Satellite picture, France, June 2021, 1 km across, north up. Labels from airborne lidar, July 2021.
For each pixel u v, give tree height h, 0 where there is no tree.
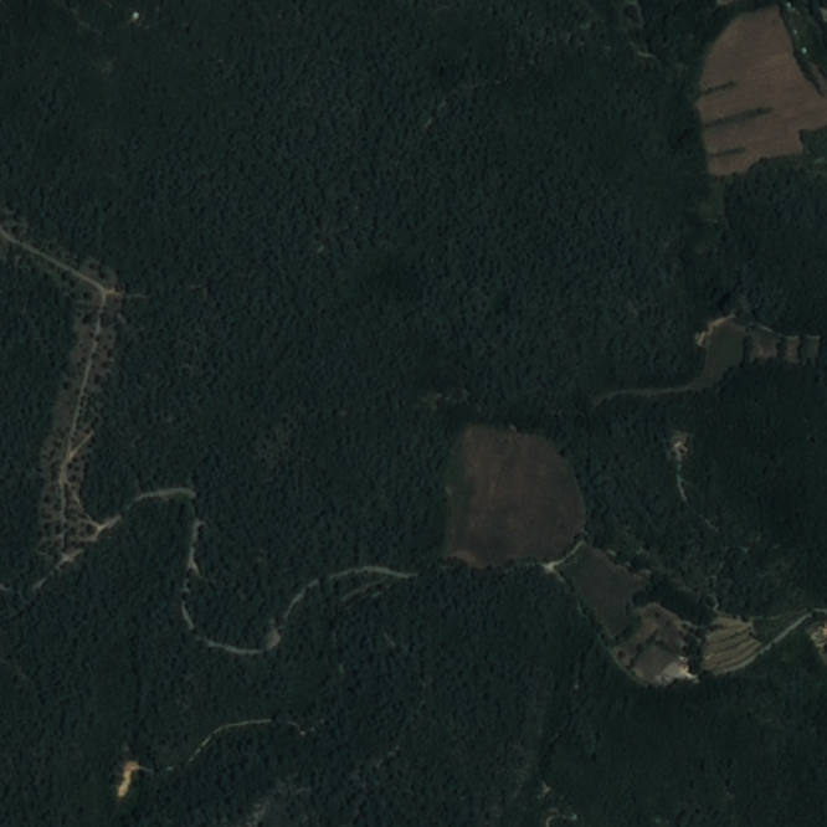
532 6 11
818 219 11
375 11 15
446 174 13
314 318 12
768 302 16
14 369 10
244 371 9
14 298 19
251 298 17
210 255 13
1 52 7
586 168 13
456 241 15
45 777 6
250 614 6
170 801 16
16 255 8
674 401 6
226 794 13
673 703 13
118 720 9
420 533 9
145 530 9
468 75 13
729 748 11
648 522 19
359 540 16
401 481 16
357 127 17
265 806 0
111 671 8
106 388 12
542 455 0
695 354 14
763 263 7
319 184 15
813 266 7
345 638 6
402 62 20
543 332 8
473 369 18
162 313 17
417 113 15
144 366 16
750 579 19
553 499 0
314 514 19
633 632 11
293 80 7
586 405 12
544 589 11
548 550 0
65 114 13
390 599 9
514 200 8
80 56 7
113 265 7
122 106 7
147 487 15
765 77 0
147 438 14
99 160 6
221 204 16
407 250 7
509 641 9
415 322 16
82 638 16
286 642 5
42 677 7
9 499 13
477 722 10
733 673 7
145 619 6
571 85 8
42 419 14
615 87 13
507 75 8
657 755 9
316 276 16
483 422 7
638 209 7
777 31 0
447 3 13
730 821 10
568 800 10
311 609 18
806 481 8
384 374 17
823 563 10
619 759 8
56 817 6
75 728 13
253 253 15
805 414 9
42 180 15
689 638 10
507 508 0
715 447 9
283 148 17
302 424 8
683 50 15
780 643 7
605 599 0
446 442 16
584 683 17
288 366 13
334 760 12
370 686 6
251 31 7
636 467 10
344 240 16
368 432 8
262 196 14
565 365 9
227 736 11
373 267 9
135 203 10
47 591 9
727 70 0
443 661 11
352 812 7
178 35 6
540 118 12
